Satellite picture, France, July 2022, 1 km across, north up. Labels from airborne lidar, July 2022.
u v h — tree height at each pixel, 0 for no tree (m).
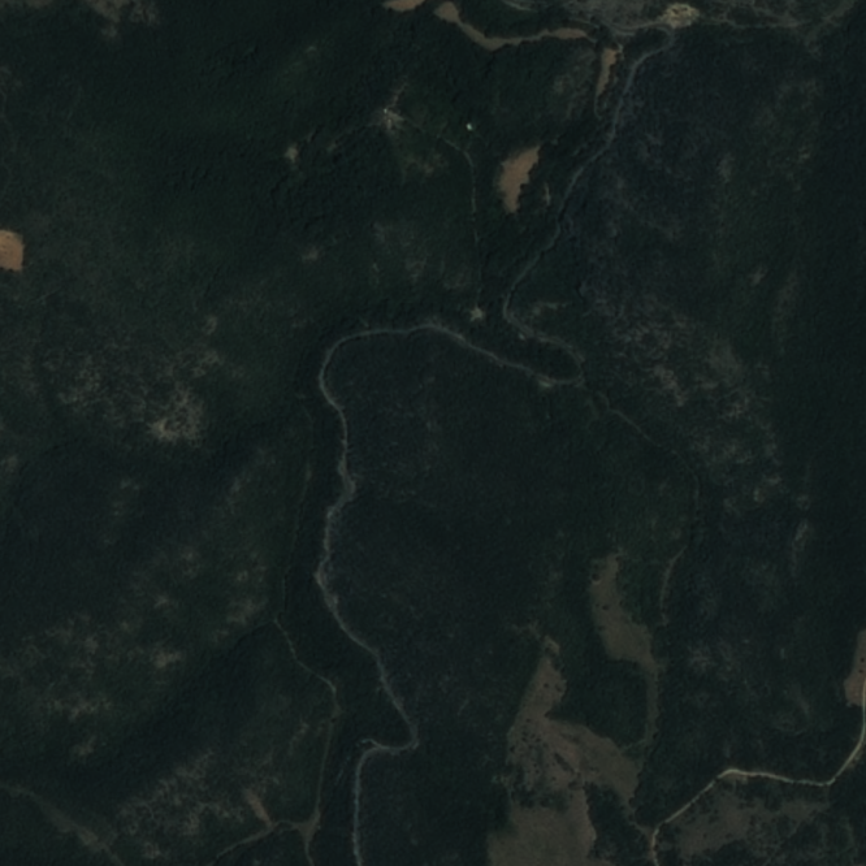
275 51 19
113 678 6
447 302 17
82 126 7
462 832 8
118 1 0
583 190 6
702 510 10
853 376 8
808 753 6
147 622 8
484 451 7
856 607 6
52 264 6
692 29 7
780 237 8
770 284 10
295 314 7
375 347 7
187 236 7
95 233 6
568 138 11
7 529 6
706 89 6
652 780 6
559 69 6
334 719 7
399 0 0
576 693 9
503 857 0
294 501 9
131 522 8
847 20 8
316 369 8
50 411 7
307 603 8
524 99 9
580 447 6
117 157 7
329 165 8
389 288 8
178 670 6
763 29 7
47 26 7
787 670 6
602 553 8
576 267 9
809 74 7
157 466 7
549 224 9
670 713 7
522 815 0
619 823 8
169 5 14
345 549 6
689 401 5
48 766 7
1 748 9
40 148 6
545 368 12
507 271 6
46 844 6
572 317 5
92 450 6
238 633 7
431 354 6
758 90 6
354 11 17
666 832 7
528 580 6
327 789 7
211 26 18
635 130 6
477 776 6
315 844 6
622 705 7
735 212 7
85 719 7
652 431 9
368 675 6
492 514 6
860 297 11
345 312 8
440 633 6
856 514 8
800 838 6
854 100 6
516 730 0
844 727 6
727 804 0
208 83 18
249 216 13
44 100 6
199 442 6
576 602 11
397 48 11
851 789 6
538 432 6
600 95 8
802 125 7
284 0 15
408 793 7
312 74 11
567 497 5
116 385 6
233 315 7
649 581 7
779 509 9
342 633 8
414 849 5
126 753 9
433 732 7
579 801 0
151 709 7
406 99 6
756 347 8
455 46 17
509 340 11
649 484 7
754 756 6
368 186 7
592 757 0
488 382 7
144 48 13
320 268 6
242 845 7
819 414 7
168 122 12
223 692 6
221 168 19
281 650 7
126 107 12
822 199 10
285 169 15
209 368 6
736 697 6
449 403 7
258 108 18
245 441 7
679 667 8
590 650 12
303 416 9
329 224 9
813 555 7
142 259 8
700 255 6
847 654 5
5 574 6
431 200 8
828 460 8
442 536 8
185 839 7
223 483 6
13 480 6
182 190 17
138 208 8
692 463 6
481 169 7
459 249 6
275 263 8
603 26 7
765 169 6
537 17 6
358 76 11
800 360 9
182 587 7
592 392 6
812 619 6
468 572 5
